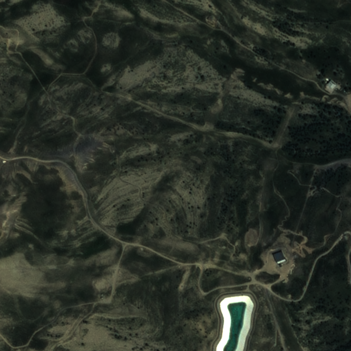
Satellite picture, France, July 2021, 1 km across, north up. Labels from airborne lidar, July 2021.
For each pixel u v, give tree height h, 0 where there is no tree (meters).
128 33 0
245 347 0
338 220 0
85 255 0
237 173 0
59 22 0
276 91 0
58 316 0
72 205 0
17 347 0
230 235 0
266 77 0
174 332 0
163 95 0
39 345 0
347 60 0
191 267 0
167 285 0
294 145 10
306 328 0
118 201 0
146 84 0
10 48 0
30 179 0
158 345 0
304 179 0
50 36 0
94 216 0
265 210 0
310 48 0
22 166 0
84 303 0
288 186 0
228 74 0
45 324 0
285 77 0
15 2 0
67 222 0
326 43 0
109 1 0
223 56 0
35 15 0
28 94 0
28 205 0
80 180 0
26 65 0
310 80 0
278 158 0
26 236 0
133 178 0
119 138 0
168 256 0
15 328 0
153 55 0
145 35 0
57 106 0
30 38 0
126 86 0
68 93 0
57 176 0
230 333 0
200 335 0
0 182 0
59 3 0
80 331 0
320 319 0
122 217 0
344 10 0
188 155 0
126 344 0
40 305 0
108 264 0
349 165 0
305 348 0
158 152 6
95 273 0
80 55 0
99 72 0
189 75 0
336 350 6
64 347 0
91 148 0
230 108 0
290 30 7
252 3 0
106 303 0
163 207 0
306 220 0
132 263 0
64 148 0
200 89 0
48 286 0
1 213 0
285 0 0
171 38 0
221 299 0
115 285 0
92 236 0
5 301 0
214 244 0
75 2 0
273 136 9
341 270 0
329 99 0
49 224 0
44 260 0
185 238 0
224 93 0
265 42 0
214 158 0
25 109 0
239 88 0
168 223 0
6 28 0
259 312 0
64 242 0
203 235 0
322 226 0
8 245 0
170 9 0
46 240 0
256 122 0
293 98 0
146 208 0
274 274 0
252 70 0
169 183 0
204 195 0
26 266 0
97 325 0
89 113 0
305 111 0
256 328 0
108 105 0
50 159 0
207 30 0
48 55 0
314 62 0
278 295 0
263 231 0
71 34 0
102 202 0
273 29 0
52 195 0
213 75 0
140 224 0
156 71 0
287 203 0
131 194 0
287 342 0
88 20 0
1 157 0
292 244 0
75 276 0
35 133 0
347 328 0
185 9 0
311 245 0
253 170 0
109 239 0
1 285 0
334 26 0
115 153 0
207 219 0
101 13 0
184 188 0
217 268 0
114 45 0
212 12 0
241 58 0
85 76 0
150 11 0
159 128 0
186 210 0
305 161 0
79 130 0
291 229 0
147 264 0
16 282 0
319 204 0
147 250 0
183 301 0
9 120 0
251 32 0
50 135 0
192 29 0
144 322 0
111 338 0
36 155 0
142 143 0
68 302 0
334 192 0
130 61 0
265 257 0
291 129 13
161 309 0
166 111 0
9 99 0
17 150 0
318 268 0
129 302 0
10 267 0
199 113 0
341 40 0
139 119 0
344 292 0
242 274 0
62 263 0
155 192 0
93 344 0
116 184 0
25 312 0
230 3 0
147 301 0
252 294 0
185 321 0
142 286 0
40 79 0
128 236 0
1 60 0
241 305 0
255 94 0
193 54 0
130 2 0
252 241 0
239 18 0
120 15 0
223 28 0
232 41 0
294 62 0
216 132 0
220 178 0
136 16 0
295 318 0
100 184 0
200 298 0
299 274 0
